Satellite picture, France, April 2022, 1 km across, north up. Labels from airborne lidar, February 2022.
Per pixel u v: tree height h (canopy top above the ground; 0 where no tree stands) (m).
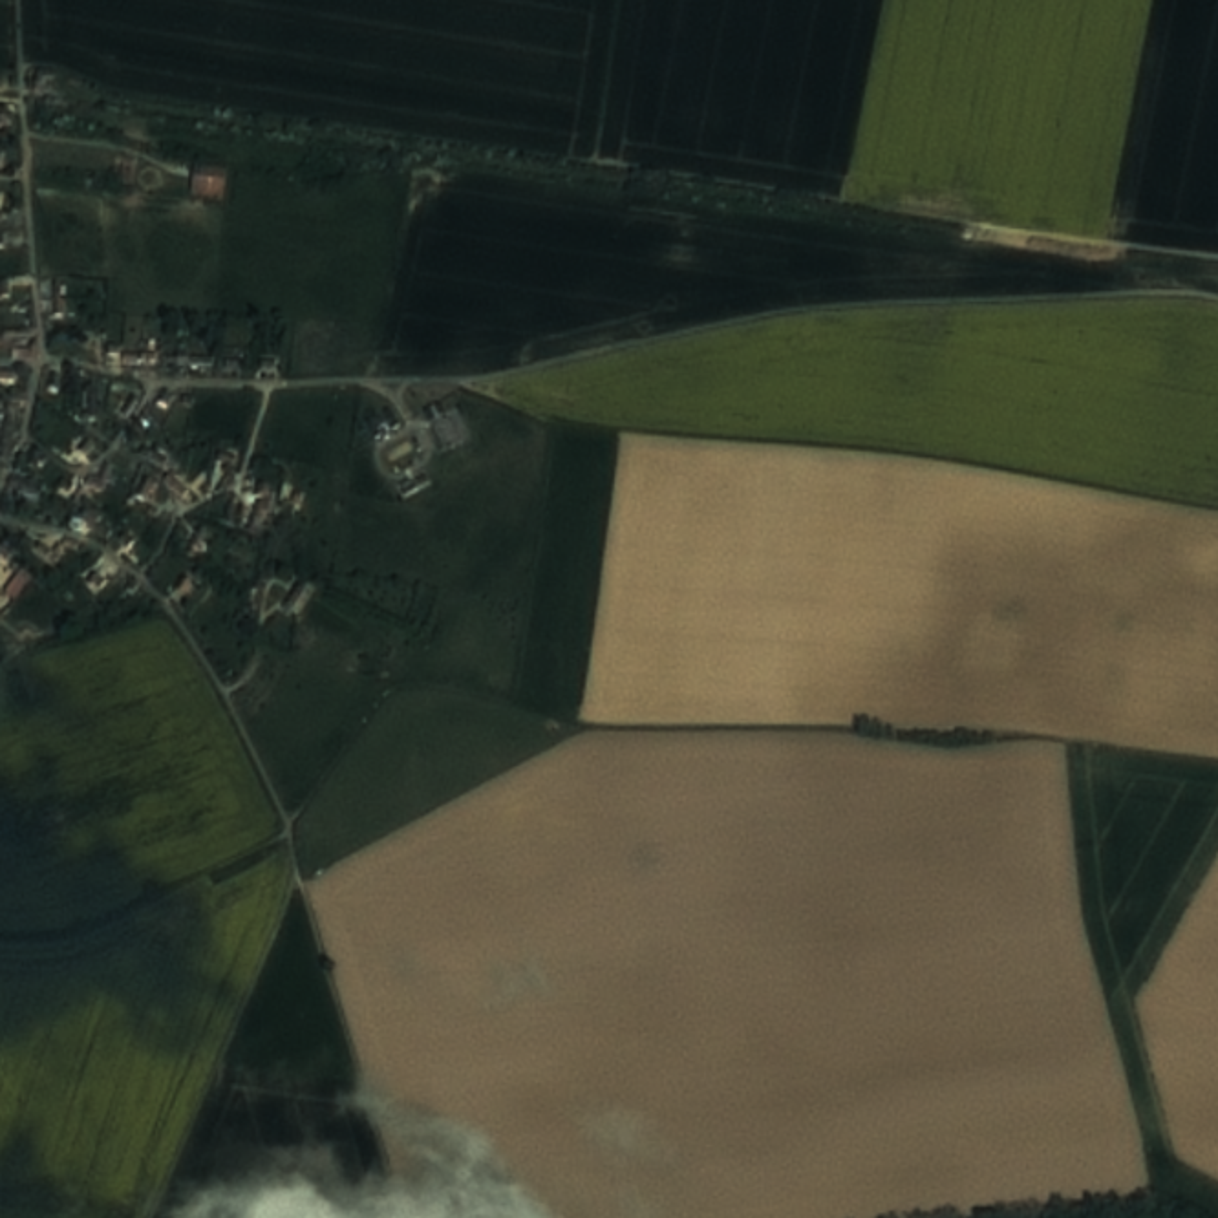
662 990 0
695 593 0
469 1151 0
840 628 0
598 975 0
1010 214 0
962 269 0
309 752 0
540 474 0
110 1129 0
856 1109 0
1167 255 0
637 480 0
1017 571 0
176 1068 0
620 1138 0
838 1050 0
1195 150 0
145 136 0
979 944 0
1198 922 0
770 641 0
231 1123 0
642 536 0
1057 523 0
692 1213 0
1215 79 0
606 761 0
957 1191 0
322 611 0
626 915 0
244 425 0
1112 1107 0
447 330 0
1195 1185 0
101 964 0
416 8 0
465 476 0
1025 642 0
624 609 0
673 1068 0
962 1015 0
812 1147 0
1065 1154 0
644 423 0
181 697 0
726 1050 0
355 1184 0
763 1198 0
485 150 6
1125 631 0
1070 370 0
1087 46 0
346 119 0
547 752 0
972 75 0
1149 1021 0
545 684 0
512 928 0
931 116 0
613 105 0
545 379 0
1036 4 0
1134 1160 0
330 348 0
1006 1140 0
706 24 0
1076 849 0
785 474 0
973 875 0
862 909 0
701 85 0
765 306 0
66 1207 0
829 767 0
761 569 0
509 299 0
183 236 0
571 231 0
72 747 0
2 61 0
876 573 0
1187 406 0
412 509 0
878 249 0
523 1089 0
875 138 0
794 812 0
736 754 0
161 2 0
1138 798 0
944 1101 0
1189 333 0
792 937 0
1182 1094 0
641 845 0
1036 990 0
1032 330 0
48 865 0
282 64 0
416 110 0
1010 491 0
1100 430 0
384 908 0
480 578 0
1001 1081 0
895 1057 0
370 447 0
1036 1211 19
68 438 0
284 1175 0
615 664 0
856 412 0
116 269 0
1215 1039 0
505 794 0
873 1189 0
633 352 0
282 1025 0
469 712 0
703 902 0
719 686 0
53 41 0
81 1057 0
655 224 0
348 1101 0
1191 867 0
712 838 0
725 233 0
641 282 0
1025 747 0
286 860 0
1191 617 0
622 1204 0
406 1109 0
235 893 0
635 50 0
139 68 0
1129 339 0
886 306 0
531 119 0
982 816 0
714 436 0
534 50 0
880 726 13
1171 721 0
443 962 0
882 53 0
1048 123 0
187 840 0
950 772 0
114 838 0
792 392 0
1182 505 0
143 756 0
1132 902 0
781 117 0
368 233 0
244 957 0
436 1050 0
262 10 0
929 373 0
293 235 0
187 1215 0
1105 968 0
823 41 0
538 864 0
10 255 0
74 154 0
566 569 0
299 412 0
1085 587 0
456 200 0
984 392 0
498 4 0
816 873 0
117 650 0
